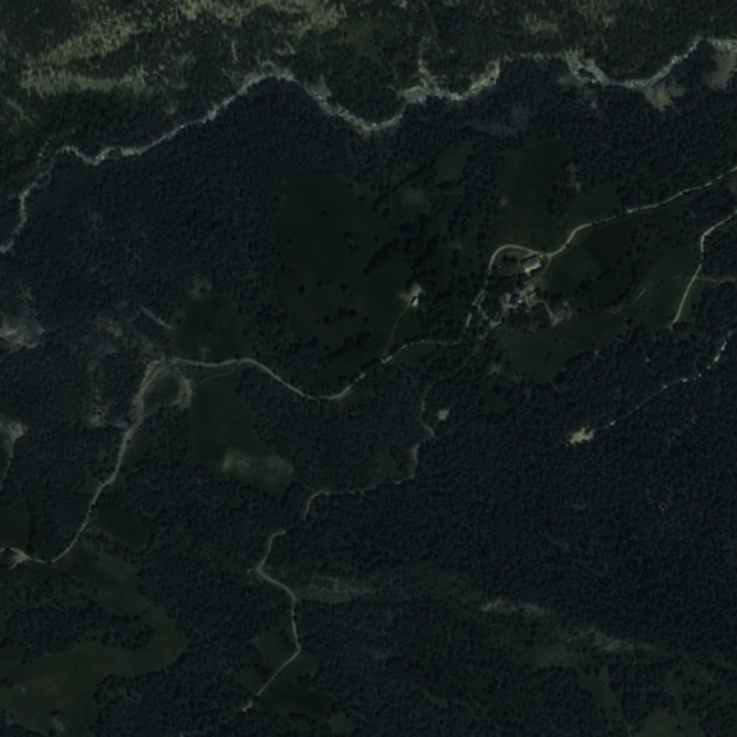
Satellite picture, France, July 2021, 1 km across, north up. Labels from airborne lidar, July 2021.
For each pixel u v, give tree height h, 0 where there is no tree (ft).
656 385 54
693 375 48
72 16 24
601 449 59
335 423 56
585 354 26
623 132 56
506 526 62
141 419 0
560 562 72
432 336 30
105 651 0
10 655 0
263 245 36
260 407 31
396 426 39
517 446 58
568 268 0
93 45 27
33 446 25
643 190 43
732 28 38
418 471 33
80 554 0
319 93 0
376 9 22
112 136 48
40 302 25
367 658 27
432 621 56
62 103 40
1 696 0
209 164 45
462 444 29
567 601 49
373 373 31
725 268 30
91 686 0
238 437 0
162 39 30
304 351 47
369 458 26
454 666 43
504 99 38
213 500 35
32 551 56
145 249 31
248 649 46
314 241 0
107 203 31
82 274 27
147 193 54
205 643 40
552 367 0
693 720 0
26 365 20
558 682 47
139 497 32
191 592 41
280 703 0
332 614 39
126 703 36
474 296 26
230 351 0
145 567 34
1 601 35
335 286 0
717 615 65
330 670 45
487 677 39
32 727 0
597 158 39
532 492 66
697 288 0
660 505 46
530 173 0
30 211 29
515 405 34
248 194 36
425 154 40
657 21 35
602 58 41
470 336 28
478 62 31
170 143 29
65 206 35
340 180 0
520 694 31
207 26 30
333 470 41
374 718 46
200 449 0
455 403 29
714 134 31
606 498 37
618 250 0
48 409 27
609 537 44
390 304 0
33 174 32
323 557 39
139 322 21
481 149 40
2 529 0
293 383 40
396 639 40
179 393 0
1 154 53
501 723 36
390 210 48
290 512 46
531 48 30
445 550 36
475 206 34
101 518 0
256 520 29
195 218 55
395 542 50
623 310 0
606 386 49
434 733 42
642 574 58
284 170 51
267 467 0
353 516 49
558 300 38
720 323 44
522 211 0
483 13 24
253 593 41
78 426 29
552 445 57
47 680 0
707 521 62
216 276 23
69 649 32
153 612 0
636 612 52
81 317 30
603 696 0
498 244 0
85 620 48
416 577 28
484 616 28
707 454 51
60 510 39
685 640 37
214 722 49
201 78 40
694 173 19
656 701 46
